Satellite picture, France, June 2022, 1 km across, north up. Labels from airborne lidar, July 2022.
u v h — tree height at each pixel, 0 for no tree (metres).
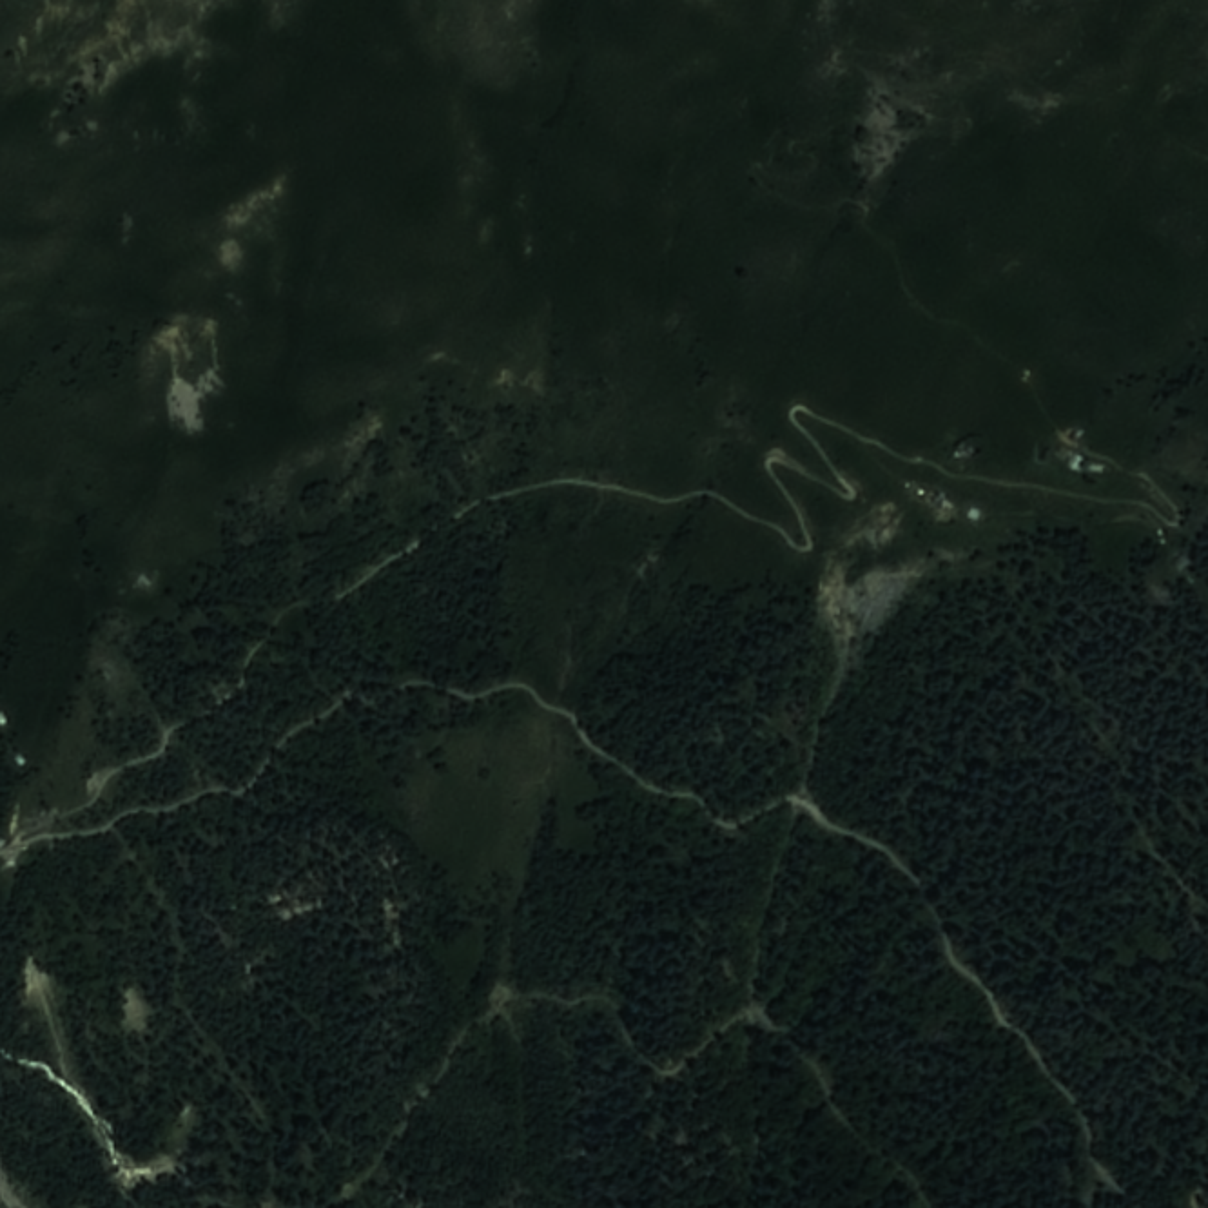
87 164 0
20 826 0
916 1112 18
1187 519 8
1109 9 0
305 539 17
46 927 7
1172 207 0
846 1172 16
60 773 0
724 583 0
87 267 0
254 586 14
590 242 0
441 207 0
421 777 0
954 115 0
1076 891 14
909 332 0
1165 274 0
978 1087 20
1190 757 27
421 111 0
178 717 9
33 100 0
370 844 10
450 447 10
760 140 0
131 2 0
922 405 0
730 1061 8
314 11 0
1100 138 0
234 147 0
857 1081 18
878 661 12
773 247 0
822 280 0
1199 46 0
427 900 10
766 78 0
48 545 0
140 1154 13
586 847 0
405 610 10
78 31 0
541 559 0
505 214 0
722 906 18
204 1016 16
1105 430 0
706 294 0
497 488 12
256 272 0
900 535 0
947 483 0
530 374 0
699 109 0
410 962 17
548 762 0
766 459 0
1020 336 0
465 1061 12
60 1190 22
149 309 0
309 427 0
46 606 0
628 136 0
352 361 0
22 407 0
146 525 0
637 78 0
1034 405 0
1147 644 21
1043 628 8
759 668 22
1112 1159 12
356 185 0
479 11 0
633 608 8
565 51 0
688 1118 21
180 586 0
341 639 20
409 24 0
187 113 0
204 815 10
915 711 21
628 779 7
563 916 10
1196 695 25
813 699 12
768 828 10
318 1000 18
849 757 13
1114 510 0
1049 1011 19
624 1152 25
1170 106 0
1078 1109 9
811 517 0
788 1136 10
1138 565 10
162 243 0
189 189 0
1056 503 0
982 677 9
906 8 0
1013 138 0
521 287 0
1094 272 0
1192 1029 13
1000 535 0
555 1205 8
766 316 0
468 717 11
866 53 0
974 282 0
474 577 17
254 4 0
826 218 0
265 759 15
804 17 0
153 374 0
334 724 10
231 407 0
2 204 0
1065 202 0
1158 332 0
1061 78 0
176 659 23
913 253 0
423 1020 17
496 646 15
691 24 0
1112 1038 11
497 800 0
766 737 7
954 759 35
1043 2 0
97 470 0
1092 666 28
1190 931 22
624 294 0
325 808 8
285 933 12
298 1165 21
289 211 0
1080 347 0
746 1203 9
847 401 0
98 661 0
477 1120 11
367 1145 30
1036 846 14
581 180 0
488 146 0
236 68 0
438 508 15
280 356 0
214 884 21
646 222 0
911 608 9
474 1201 8
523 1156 8
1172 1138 10
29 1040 10
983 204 0
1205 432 0
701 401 0
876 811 11
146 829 7
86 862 12
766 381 0
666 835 11
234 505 11
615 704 11
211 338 0
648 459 0
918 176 0
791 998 10
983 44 0
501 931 9
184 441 0
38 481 0
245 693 10
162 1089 7
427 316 0
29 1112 12
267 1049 6
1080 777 17
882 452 0
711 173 0
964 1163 20
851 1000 9
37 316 0
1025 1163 10
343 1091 19
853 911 6
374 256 0
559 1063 11
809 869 8
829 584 0
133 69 0
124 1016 12
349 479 7
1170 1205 11
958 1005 9
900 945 7
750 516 0
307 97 0
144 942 9
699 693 11
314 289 0
